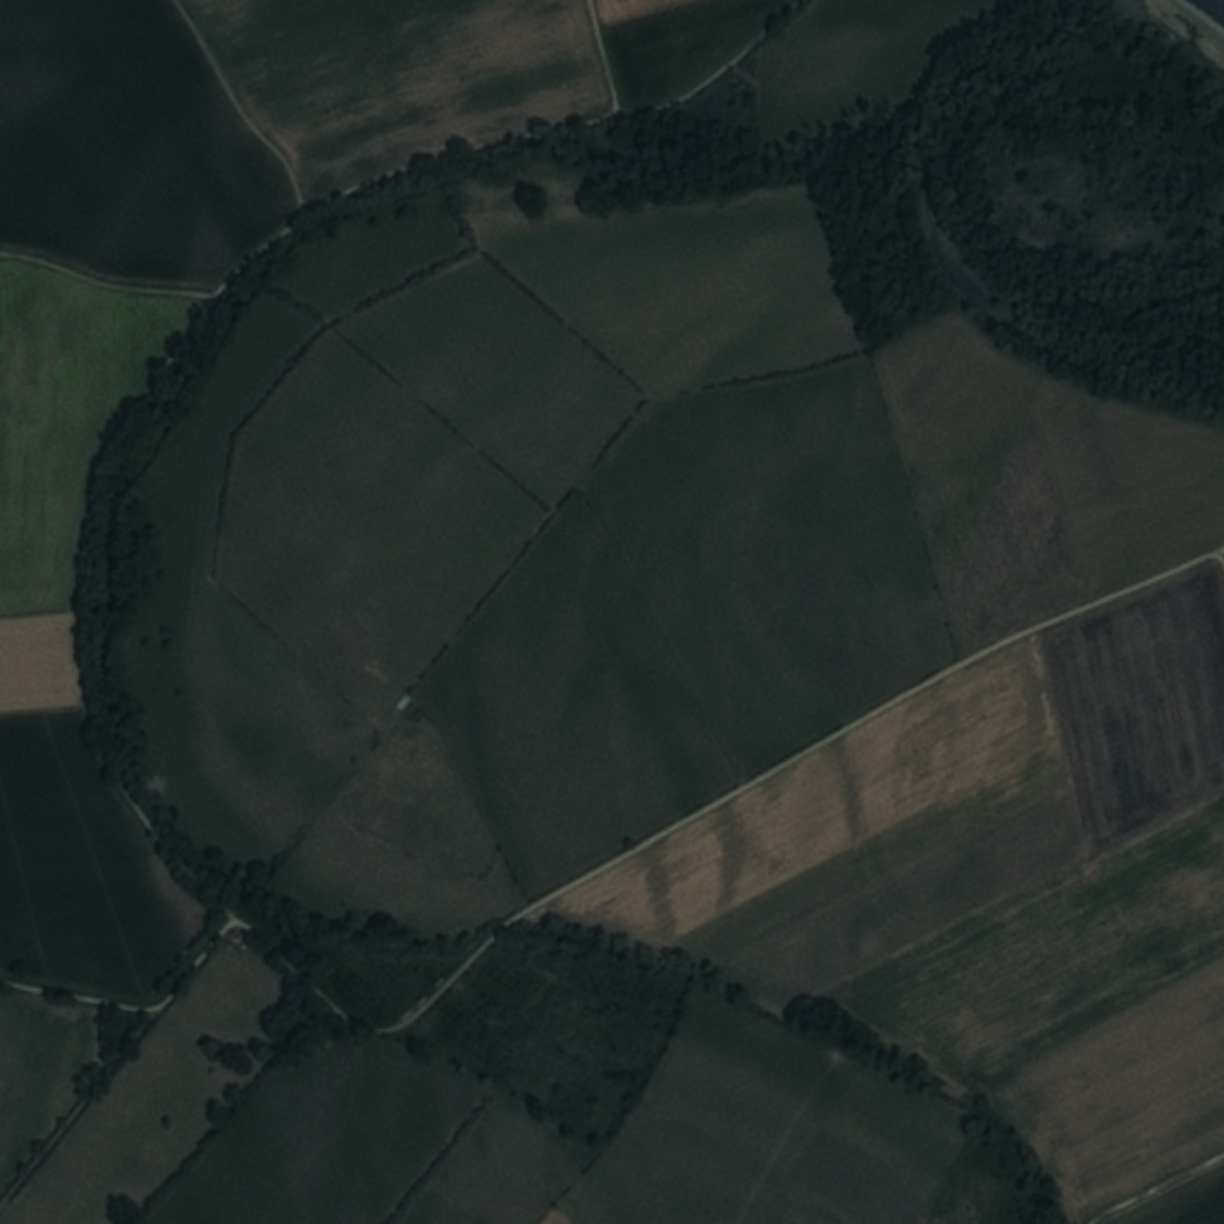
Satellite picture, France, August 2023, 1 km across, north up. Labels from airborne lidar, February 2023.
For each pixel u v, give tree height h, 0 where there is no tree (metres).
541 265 0
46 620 0
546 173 0
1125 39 12
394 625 0
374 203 18
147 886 0
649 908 0
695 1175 0
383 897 0
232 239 0
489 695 0
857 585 0
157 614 0
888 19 0
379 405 0
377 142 0
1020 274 22
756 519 0
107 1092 13
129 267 0
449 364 0
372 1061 0
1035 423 0
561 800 0
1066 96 11
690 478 0
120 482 16
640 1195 0
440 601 0
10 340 0
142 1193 0
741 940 0
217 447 0
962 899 0
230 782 0
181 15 0
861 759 0
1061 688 0
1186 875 0
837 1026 15
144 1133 0
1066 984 0
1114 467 0
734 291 0
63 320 0
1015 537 0
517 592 0
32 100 0
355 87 0
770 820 0
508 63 0
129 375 0
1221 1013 0
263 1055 21
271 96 0
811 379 0
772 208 0
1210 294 15
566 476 0
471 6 0
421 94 0
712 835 0
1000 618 0
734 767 0
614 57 0
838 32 0
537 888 0
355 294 0
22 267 0
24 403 0
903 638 0
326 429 0
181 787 0
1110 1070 0
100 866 0
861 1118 0
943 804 0
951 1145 0
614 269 0
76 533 0
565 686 0
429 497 0
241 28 0
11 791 0
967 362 0
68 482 0
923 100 19
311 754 0
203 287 0
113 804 0
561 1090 10
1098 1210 0
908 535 0
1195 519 0
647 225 0
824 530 0
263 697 0
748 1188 0
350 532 0
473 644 0
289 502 0
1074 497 0
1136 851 0
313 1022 18
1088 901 0
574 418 0
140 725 15
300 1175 0
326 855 0
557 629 0
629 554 0
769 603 0
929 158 17
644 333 0
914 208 12
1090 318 28
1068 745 0
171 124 0
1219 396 26
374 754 0
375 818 0
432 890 0
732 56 0
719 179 30
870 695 0
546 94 0
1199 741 0
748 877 0
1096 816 0
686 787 0
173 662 0
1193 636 0
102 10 0
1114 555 0
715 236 0
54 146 0
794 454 0
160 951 0
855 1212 0
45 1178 0
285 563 0
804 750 0
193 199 0
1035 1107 0
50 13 0
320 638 0
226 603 0
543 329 0
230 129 0
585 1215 0
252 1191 0
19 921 0
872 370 0
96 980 0
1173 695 0
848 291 19
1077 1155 0
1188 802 0
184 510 0
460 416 0
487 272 0
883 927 0
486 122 0
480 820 0
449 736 0
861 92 0
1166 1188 0
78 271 0
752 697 0
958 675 0
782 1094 0
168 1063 0
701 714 0
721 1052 0
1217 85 22
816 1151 0
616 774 0
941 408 0
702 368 0
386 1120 0
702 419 0
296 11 0
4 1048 0
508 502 0
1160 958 0
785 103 0
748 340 0
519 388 0
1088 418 0
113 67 0
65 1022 0
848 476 0
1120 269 15
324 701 0
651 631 0
